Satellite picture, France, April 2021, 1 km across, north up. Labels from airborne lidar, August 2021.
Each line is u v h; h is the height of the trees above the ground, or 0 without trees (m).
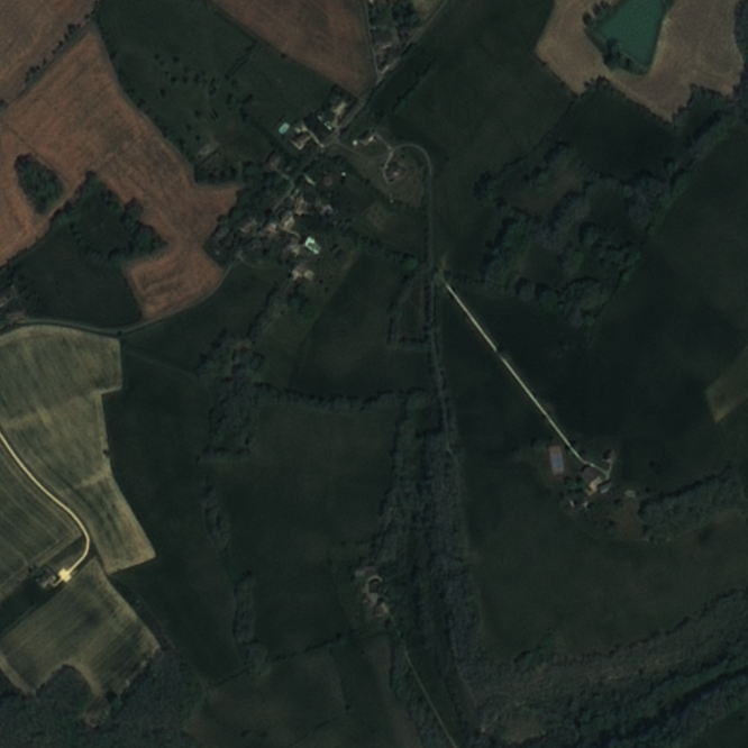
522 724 0
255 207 13
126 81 8
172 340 0
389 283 0
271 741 0
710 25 0
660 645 19
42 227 0
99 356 0
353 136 7
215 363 19
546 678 10
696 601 0
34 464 0
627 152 0
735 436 0
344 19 0
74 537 0
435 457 18
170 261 0
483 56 0
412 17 20
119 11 0
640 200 21
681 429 0
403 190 0
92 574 0
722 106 18
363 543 6
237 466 0
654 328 0
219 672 0
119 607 0
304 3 0
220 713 0
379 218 0
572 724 12
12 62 0
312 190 14
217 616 0
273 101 0
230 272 0
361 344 0
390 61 14
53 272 0
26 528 0
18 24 0
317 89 0
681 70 0
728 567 0
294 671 0
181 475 0
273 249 10
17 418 0
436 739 24
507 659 0
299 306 14
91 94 0
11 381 0
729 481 15
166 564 0
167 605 0
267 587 0
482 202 23
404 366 0
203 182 9
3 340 0
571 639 0
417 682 7
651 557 0
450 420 12
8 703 18
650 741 15
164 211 0
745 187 0
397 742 0
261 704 0
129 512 0
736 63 0
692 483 0
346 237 15
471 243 0
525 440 0
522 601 0
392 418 0
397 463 16
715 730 0
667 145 0
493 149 0
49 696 19
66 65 0
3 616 0
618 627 0
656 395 0
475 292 0
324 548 0
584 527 0
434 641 19
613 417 0
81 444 0
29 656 0
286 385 0
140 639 0
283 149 7
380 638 0
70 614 0
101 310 0
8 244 0
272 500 0
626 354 0
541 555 0
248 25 0
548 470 0
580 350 0
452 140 0
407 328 0
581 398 0
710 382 0
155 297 0
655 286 0
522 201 0
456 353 0
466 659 17
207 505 10
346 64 0
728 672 19
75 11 0
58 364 0
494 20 0
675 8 0
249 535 0
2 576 0
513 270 21
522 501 0
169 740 22
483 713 17
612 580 0
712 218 0
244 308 0
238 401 20
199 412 0
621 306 0
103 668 0
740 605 21
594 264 0
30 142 0
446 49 0
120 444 0
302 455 0
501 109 0
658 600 0
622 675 8
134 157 0
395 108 7
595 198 0
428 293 7
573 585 0
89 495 0
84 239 8
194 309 0
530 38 0
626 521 0
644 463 0
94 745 25
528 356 0
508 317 0
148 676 16
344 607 0
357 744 0
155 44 0
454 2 0
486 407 0
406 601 18
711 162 0
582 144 0
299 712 0
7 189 0
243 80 0
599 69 0
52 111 0
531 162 0
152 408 0
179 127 0
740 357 0
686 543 0
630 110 0
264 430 0
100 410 0
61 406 0
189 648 0
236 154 0
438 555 12
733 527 0
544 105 0
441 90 0
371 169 0
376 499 0
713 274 0
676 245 0
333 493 0
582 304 13
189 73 10
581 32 0
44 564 0
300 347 0
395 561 15
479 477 0
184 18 0
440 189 0
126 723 22
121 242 0
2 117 0
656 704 12
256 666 18
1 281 0
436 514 14
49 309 0
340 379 0
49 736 18
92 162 0
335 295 0
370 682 0
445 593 12
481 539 0
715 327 0
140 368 0
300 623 0
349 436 0
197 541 0
